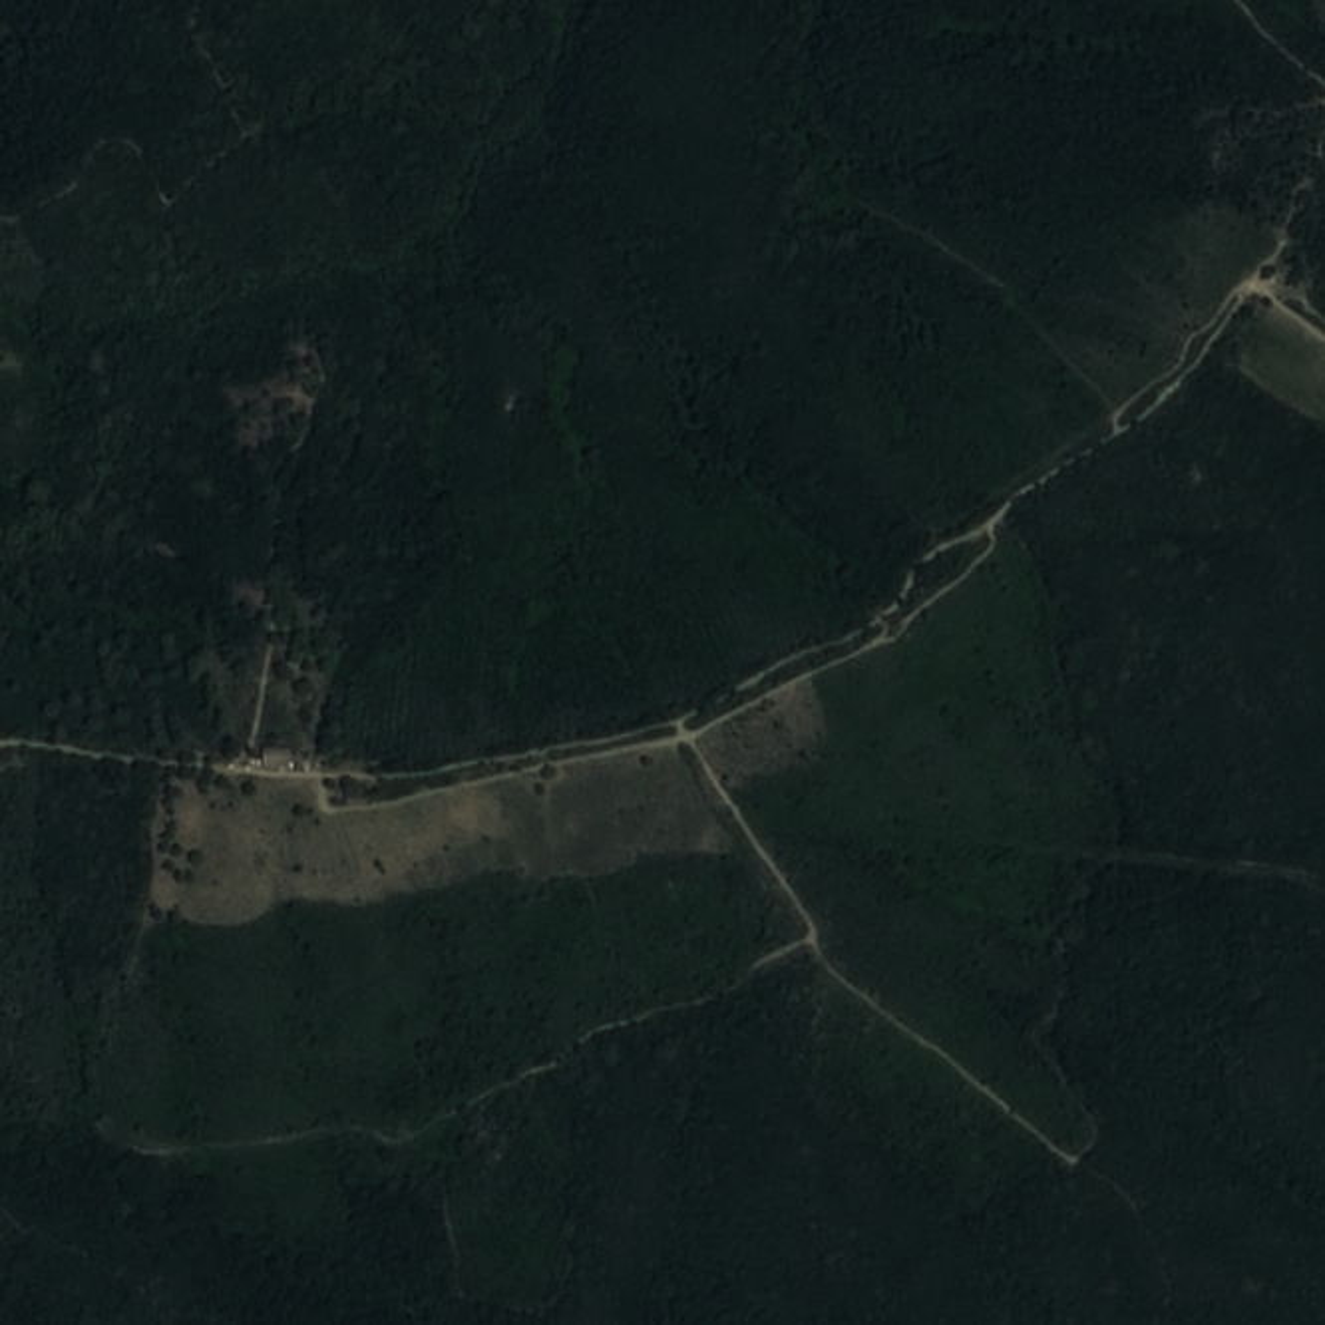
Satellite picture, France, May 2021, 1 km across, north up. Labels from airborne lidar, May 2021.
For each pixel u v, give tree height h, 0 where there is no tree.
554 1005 7
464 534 10
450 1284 13
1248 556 7
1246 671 6
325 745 11
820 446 7
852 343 8
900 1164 11
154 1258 15
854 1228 8
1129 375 0
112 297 6
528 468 6
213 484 11
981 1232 11
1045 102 10
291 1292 12
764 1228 7
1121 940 16
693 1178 13
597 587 6
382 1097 7
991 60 13
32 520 16
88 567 12
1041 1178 7
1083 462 8
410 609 11
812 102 7
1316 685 6
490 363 6
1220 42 9
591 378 6
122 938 9
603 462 7
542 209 11
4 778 7
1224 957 9
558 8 8
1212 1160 12
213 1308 12
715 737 0
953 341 5
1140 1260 7
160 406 11
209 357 10
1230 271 0
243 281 12
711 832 0
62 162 12
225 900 0
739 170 9
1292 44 6
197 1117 9
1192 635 8
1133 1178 6
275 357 9
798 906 0
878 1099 6
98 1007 6
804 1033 6
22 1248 10
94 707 11
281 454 7
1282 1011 7
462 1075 7
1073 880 10
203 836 0
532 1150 8
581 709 7
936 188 15
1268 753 7
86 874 8
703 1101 12
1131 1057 11
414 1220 10
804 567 6
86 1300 10
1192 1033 13
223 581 11
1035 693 5
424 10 6
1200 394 6
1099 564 8
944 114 8
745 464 12
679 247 10
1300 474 7
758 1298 6
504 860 0
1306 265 6
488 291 14
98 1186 20
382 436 7
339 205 8
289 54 10
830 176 6
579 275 7
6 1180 9
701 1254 12
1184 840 11
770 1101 5
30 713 6
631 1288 9
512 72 7
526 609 9
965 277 8
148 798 8
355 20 9
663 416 7
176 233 10
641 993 7
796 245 15
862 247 12
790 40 14
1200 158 7
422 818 0
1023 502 7
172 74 9
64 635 8
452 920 6
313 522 12
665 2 11
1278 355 0
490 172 7
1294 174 8
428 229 12
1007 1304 7
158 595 9
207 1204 21
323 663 12
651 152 9
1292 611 6
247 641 8
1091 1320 10
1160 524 6
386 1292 18
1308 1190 9
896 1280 6
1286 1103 6
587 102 10
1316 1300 9
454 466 8
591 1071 11
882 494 5
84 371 12
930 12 13
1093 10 6
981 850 5
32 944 6
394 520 13
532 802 0
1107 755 12
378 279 9
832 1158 6
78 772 9
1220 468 9
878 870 9
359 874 0
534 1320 10
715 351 9
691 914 5
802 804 8
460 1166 7
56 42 12
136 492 14
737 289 6
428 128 9
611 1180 7
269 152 7
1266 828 8
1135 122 11
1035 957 9
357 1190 11
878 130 13
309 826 0
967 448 5
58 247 6
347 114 7
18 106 14
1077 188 9
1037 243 6
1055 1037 12
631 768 0
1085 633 9
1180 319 0
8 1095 7
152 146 8
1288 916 7
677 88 6
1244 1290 8
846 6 9
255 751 8
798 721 0
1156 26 12
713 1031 11
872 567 8
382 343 8
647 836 0
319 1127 7
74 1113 8
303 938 8
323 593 10
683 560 6
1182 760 11
